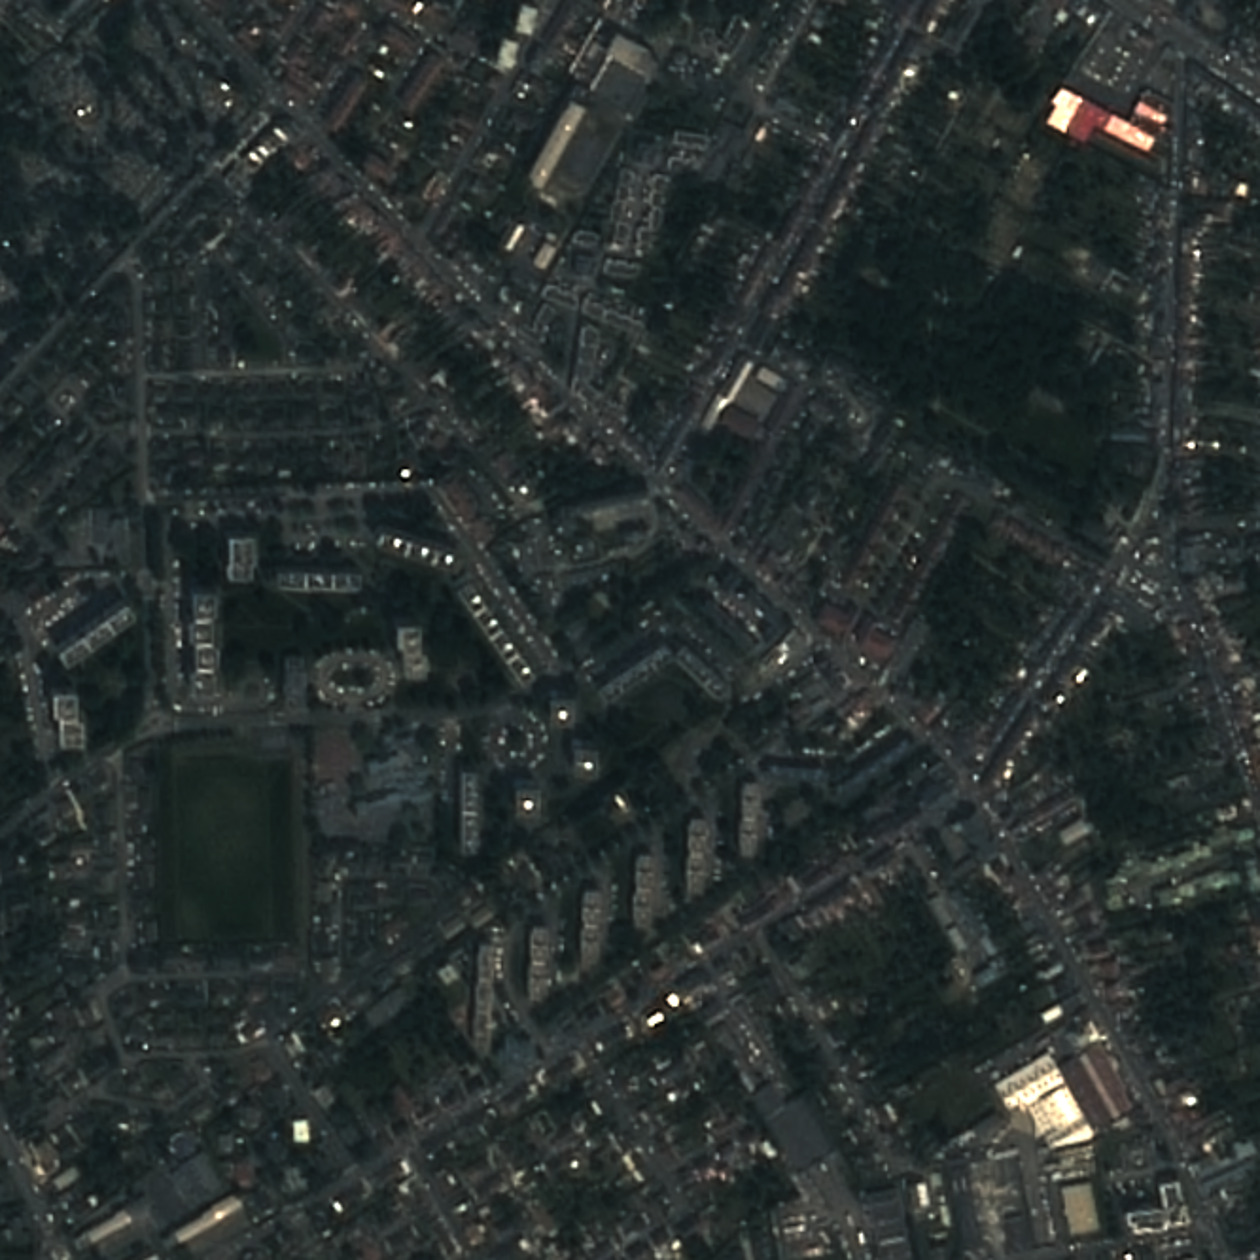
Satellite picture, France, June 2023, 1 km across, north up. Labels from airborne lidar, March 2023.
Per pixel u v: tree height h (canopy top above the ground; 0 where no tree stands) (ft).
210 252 0
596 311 0
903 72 0
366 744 36
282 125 0
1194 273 0
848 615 0
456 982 0
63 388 0
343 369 0
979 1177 0
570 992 31
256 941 0
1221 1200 0
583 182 0
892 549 0
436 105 22
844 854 0
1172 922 29
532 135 33
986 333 27
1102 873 26
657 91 36
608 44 0
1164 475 0
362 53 0
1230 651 0
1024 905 0
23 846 43
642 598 49
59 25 0
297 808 0
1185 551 0
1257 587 50
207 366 0
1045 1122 0
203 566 31
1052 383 47
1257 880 0
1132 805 23
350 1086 0
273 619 0
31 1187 0
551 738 0
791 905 0
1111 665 24
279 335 0
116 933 0
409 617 0
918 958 21
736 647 46
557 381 0
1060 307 42
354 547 0
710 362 0
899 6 0
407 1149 0
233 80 66
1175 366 0
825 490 25
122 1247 0
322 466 21
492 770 0
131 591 42
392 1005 0
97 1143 43
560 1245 25
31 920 23
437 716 0
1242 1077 0
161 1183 0
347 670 0
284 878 0
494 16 29
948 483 0
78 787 28
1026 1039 0
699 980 0
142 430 0
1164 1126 0
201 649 0
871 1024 30
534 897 42
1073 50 35
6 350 45
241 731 0
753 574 0
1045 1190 0
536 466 19
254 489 23
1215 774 0
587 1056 0
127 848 0
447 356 27
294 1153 40
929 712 0
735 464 49
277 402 0
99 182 60
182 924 0
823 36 25
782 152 27
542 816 0
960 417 0
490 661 31
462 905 0
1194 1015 49
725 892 45
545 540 0
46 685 0
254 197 48
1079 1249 0
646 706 0
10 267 57
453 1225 0
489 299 0
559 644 26
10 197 58
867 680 0
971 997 0
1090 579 0
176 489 39
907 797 38
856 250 48
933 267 26
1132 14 0
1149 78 0
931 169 42
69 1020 24
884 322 70
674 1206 0
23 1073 31
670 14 44
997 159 35
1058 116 0
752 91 0
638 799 52
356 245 0
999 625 0
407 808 34
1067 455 0
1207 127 19
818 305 0
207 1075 0
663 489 0
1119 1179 0
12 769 27
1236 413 0
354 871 0
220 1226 0
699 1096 31
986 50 38
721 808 0
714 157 0
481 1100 0
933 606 20
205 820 0
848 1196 0
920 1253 41
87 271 49
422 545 0
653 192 0
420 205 0
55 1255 0
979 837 0
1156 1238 0
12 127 56
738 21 0
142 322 0
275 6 19
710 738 0
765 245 0
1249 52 0
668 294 46
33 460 24
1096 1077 0
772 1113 0
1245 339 22
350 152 22
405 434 21
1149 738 27
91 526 0
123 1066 0
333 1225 18
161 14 56
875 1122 0
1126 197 0
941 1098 0
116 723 42
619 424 0
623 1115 0
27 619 0
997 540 0
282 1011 0
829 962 20
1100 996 0
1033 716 0
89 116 0
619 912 0
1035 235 0
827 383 0
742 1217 0
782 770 0
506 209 0
